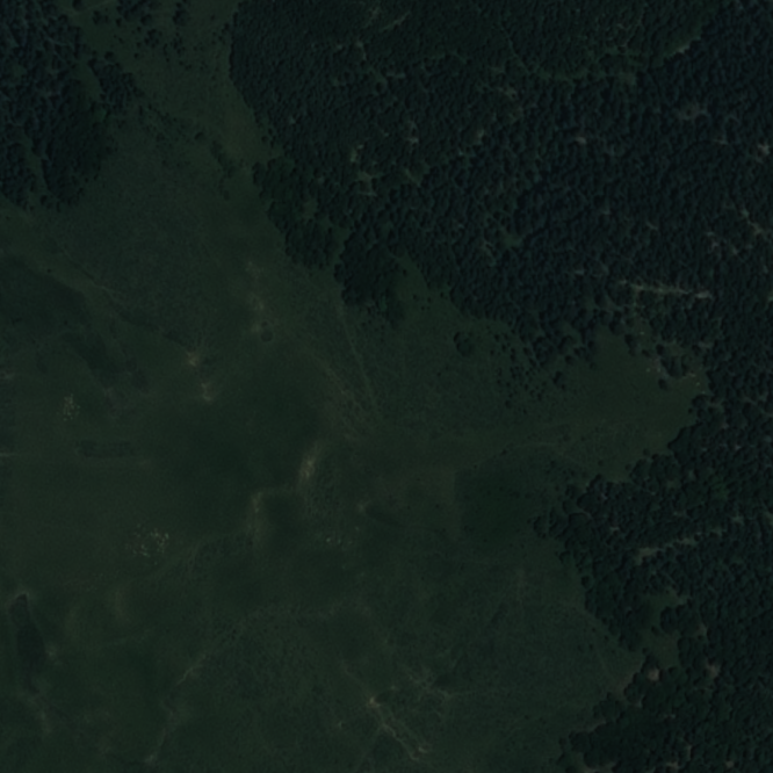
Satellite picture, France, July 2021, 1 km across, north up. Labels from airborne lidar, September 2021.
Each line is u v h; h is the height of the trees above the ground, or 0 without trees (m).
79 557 0
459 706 0
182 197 0
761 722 29
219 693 0
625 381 0
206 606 0
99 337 0
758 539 17
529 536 0
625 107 28
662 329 15
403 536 0
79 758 0
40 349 0
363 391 0
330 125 22
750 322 22
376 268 19
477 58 21
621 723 15
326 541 0
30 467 0
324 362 0
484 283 25
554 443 0
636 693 14
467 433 0
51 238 0
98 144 20
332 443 0
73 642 0
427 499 0
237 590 0
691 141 24
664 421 0
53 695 0
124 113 12
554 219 25
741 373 17
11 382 0
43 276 0
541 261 28
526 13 10
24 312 0
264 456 0
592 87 22
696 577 22
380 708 0
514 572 0
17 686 0
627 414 0
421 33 19
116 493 0
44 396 0
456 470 0
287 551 0
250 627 0
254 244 0
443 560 0
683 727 12
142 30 11
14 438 0
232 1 0
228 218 0
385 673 0
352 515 0
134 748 0
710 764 25
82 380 0
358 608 0
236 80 14
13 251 0
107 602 0
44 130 29
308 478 0
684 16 21
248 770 0
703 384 0
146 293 0
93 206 0
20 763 0
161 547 0
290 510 0
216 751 0
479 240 28
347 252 11
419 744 0
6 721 0
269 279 0
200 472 0
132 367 0
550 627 0
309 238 20
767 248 23
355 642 0
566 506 14
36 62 20
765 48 30
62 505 0
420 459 0
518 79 24
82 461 0
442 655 0
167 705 0
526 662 0
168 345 0
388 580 0
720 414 18
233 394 0
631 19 22
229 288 0
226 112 0
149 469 0
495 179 21
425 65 20
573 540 19
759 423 24
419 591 0
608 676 0
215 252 0
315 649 0
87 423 0
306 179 19
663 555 24
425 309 9
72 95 22
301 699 0
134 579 0
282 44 23
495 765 0
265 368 0
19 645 0
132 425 0
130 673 0
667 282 11
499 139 19
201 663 0
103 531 0
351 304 16
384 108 18
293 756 0
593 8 19
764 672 12
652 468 17
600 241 21
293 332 0
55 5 20
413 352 0
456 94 23
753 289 27
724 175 16
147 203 0
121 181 0
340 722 0
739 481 12
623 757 25
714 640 15
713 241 21
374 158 23
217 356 0
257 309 0
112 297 0
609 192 19
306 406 0
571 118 34
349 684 0
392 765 0
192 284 0
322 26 18
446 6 19
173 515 0
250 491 0
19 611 0
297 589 0
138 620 0
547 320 18
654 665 19
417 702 0
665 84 25
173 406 0
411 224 21
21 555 0
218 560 0
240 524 0
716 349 11
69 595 0
